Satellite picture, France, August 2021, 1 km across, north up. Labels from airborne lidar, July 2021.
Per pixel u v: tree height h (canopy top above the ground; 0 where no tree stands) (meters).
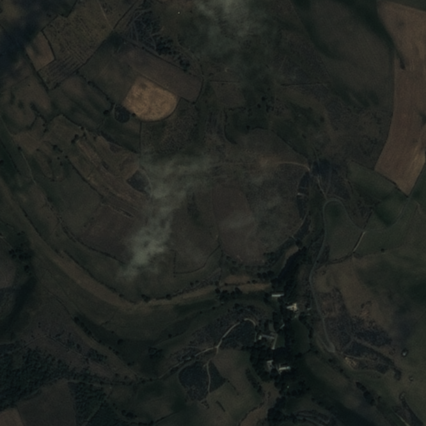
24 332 0
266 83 0
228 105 0
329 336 0
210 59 0
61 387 0
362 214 0
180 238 0
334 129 0
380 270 0
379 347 0
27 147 0
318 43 0
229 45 0
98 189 0
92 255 0
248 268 10
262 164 0
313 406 0
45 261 0
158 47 6
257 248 0
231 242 0
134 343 0
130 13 0
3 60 0
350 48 0
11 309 0
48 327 0
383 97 0
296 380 19
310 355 0
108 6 0
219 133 0
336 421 0
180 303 0
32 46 0
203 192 0
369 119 0
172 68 0
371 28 0
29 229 0
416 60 0
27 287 0
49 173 0
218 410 0
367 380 0
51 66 0
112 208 0
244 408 0
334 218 0
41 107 0
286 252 0
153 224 0
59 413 0
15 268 0
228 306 0
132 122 0
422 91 0
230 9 0
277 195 0
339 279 0
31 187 0
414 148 0
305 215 0
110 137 0
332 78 0
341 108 0
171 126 0
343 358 0
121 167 0
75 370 0
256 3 0
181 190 0
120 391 0
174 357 0
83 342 0
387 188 0
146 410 0
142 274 0
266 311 0
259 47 0
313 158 0
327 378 0
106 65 0
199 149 0
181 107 0
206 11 0
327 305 0
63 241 0
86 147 0
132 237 0
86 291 0
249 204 0
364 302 0
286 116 0
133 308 0
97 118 0
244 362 0
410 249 0
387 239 0
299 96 0
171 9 0
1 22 0
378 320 0
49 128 0
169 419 0
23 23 0
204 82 0
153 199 0
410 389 0
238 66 0
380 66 0
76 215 0
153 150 0
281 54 0
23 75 0
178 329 0
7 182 0
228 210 0
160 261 0
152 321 0
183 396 0
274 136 0
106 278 0
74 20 0
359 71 0
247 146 0
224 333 0
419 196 0
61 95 0
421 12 0
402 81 0
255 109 0
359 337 0
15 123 0
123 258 0
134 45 0
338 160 0
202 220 0
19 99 0
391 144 0
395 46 0
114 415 7
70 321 0
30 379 9
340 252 0
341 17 0
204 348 0
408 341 0
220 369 0
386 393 0
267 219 0
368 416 0
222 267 0
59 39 0
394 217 0
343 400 0
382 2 0
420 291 0
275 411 15
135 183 0
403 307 0
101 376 0
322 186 0
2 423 0
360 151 0
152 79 0
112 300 0
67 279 0
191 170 0
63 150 0
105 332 0
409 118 0
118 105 0
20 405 0
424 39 0
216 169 0
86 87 0
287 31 0
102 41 0
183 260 0
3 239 0
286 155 0
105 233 0
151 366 0
